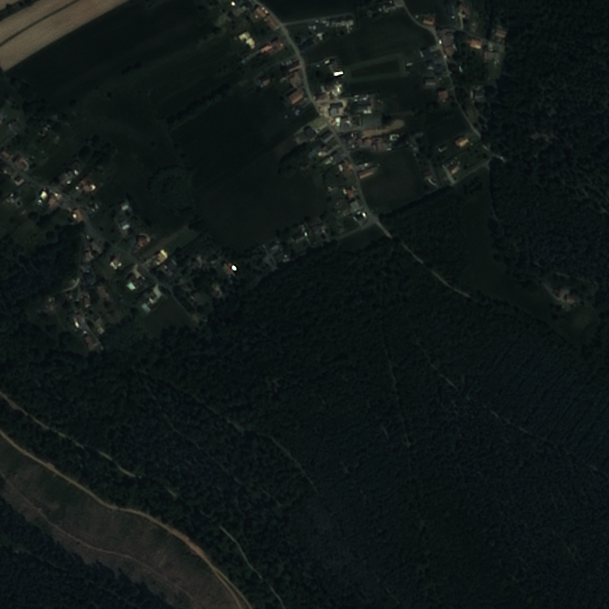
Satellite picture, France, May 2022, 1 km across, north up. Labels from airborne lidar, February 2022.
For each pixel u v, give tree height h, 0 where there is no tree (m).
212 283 8
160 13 0
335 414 11
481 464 20
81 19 0
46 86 0
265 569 10
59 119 8
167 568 0
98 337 0
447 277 10
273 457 29
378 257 19
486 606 11
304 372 14
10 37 0
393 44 0
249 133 0
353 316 10
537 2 17
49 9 0
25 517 24
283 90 0
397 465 15
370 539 14
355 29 0
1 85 0
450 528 13
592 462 21
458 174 0
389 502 12
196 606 0
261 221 0
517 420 19
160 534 0
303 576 10
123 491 26
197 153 0
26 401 32
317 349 12
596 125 12
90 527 0
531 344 18
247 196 0
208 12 9
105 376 28
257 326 32
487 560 14
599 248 23
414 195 0
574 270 25
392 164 0
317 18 0
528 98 14
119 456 29
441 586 13
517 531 18
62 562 21
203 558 0
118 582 29
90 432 21
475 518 14
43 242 0
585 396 21
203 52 0
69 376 24
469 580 14
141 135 0
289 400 12
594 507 18
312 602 9
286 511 14
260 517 29
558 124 12
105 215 0
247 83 0
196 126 0
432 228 17
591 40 14
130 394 32
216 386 17
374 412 11
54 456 27
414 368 12
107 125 0
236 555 11
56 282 23
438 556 16
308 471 13
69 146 0
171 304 0
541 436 20
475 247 0
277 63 0
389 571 13
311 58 0
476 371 15
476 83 0
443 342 11
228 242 0
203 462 29
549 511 17
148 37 0
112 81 0
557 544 20
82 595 18
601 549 20
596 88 6
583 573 20
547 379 20
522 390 18
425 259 13
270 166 0
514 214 24
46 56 0
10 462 0
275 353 11
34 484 0
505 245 25
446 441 19
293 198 0
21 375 33
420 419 13
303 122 0
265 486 29
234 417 26
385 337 10
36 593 30
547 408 20
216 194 0
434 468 12
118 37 0
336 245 12
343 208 0
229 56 0
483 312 16
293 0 0
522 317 15
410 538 11
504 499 20
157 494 6
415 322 12
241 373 18
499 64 0
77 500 0
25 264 26
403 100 0
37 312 0
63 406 27
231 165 0
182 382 18
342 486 13
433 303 14
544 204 22
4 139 0
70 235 19
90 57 0
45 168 0
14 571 33
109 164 11
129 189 0
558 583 17
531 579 12
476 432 17
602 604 20
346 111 0
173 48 0
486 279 0
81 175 0
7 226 0
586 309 0
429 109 6
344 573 14
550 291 0
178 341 18
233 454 25
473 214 0
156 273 11
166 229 0
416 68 0
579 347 0
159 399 24
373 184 0
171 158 0
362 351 9
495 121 24
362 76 0
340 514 16
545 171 26
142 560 0
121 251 0
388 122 19
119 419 31
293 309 14
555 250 23
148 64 0
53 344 15
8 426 25
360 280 9
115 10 0
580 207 19
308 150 7
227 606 0
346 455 14
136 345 24
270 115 0
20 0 0
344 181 0
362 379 8
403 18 0
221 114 0
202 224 15
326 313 10
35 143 0
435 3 0
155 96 0
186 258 7
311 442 13
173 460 27
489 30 12
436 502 12
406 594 16
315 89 0
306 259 9
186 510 44
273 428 11
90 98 0
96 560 0
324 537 8
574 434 21
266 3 0
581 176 22
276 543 21
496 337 16
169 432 28
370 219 0
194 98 0
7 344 26
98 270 0
